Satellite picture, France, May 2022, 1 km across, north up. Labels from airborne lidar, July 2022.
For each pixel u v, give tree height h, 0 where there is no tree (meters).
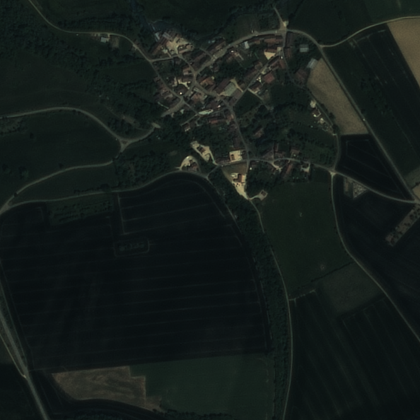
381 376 0
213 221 0
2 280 0
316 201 0
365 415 0
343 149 0
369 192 0
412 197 0
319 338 0
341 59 0
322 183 0
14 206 0
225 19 0
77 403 0
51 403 0
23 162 0
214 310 0
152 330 0
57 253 0
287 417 0
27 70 0
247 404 0
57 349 0
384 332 0
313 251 0
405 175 0
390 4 0
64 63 13
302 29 0
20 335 0
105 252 0
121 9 0
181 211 0
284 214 0
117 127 15
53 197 0
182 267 0
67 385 0
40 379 0
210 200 0
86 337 0
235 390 0
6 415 0
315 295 0
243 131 17
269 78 0
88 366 0
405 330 0
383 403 0
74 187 0
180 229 0
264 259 25
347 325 0
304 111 14
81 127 0
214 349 0
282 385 6
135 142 0
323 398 0
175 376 0
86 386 0
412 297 0
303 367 0
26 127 6
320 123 0
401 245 0
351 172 0
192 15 0
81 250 0
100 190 8
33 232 0
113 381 0
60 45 22
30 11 14
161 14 0
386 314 0
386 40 0
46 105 0
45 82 0
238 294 0
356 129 0
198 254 0
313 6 0
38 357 0
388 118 0
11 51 17
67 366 0
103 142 0
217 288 0
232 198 27
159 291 0
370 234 0
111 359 0
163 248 0
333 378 0
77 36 0
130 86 14
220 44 0
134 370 0
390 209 0
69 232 0
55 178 0
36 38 20
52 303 0
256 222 17
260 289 0
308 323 0
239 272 0
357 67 0
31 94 0
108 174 0
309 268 0
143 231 0
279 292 12
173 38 0
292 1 0
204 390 0
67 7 0
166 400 0
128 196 0
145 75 0
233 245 0
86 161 0
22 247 0
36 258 0
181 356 0
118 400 0
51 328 0
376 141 0
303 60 6
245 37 0
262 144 27
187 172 0
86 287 0
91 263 0
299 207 0
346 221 0
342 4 0
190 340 0
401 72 0
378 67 0
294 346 0
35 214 0
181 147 9
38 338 0
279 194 0
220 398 0
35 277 0
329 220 0
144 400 0
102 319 0
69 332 0
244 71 8
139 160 10
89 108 0
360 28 0
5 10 22
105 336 0
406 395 0
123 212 0
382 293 0
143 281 0
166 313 0
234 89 0
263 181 7
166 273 0
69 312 0
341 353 0
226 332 0
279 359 10
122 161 18
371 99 8
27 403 0
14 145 0
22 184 0
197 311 0
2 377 0
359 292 0
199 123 11
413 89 0
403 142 0
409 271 0
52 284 0
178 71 6
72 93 0
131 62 15
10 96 0
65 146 0
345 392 0
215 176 17
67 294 0
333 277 0
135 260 0
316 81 0
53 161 0
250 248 10
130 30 20
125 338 0
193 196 0
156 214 0
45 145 0
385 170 0
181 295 0
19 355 0
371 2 0
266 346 0
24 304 0
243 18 0
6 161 0
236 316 0
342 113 0
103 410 0
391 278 0
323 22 0
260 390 0
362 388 0
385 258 0
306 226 0
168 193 0
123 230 0
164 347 0
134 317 0
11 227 0
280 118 7
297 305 0
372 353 0
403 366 0
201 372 0
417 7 0
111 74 0
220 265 0
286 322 11
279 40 0
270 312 12
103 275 0
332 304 0
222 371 0
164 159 8
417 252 0
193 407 0
